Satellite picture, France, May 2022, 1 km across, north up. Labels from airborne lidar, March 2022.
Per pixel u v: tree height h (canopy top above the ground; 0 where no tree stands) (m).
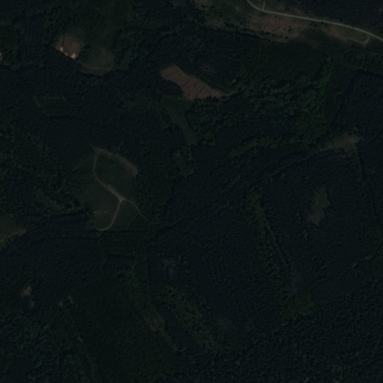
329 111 12
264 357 33
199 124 17
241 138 19
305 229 14
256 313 20
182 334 23
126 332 7
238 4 0
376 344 12
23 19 28
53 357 22
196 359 16
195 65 25
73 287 22
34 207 20
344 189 26
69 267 22
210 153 20
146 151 10
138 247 11
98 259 20
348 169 28
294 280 23
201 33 25
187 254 27
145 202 7
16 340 11
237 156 14
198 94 30
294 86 14
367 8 27
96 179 0
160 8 30
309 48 5
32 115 20
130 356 7
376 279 15
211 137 21
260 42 9
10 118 18
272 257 20
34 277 7
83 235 22
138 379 10
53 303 20
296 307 22
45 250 27
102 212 0
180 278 26
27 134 24
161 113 21
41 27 26
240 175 16
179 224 24
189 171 30
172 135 18
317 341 30
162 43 25
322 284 26
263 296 29
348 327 27
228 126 22
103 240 11
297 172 21
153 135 26
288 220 25
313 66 5
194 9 30
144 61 26
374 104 25
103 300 11
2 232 0
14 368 14
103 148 25
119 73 22
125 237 10
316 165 23
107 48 0
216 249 24
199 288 24
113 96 21
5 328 20
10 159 29
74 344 11
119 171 0
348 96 27
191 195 20
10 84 27
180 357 20
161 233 26
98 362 15
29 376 24
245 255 24
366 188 9
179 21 30
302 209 23
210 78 30
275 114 19
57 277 23
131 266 16
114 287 8
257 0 0
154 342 6
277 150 16
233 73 31
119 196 0
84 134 23
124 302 8
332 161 25
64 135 22
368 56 8
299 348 30
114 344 9
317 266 15
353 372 8
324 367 12
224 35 21
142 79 21
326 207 0
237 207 21
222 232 21
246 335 23
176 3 27
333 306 24
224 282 21
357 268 14
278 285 21
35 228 25
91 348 15
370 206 9
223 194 24
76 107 6
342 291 26
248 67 18
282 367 26
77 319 14
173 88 28
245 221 22
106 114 14
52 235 28
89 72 0
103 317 10
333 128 28
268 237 25
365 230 16
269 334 17
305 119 24
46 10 7
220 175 24
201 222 23
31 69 32
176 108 0
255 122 20
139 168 13
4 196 21
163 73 28
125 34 18
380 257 13
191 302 22
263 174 25
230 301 21
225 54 27
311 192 22
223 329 23
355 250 25
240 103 24
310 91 27
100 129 24
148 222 6
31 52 28
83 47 27
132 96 20
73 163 21
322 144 26
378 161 20
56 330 12
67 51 30
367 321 24
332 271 26
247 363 26
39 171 26
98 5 19
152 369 7
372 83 30
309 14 27
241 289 25
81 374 21
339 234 22
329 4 27
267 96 24
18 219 29
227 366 25
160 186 9
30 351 26
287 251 25
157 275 24
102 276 18
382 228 17
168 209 20
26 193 21
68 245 27
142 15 25
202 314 25
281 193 26
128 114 25
